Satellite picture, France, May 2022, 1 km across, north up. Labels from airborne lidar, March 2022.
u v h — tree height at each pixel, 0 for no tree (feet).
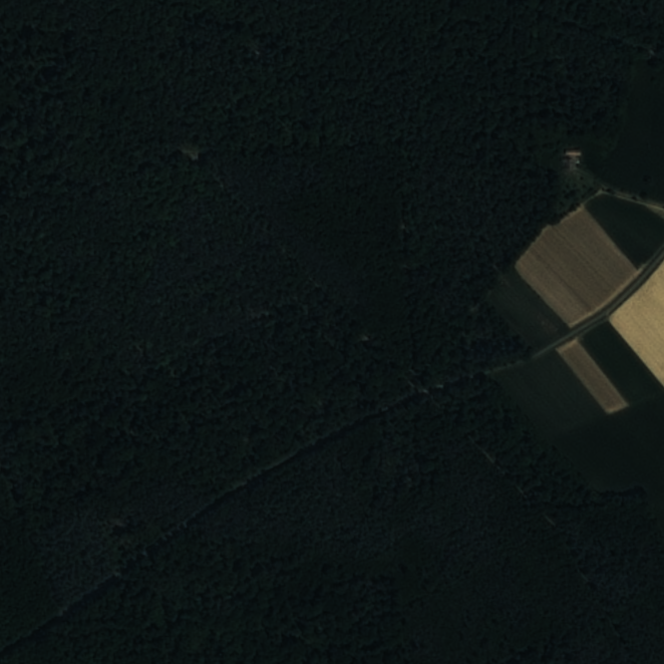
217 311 73
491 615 56
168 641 83
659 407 0
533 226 86
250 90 89
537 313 0
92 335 85
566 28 106
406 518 38
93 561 82
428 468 79
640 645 73
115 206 82
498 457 82
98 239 74
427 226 83
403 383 85
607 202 0
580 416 0
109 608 97
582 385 0
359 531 65
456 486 59
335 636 96
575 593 60
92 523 83
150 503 73
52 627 78
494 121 88
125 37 79
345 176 71
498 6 114
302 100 100
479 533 60
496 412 86
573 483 77
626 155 0
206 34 91
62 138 75
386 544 60
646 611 64
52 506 77
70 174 83
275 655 98
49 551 76
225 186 60
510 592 59
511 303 0
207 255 77
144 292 73
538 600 58
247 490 40
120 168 75
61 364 78
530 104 102
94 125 67
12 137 94
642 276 0
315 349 109
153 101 86
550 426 0
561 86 108
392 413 86
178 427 87
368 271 59
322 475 66
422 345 79
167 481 74
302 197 66
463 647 42
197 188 81
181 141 79
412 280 72
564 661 81
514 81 110
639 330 0
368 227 57
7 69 27
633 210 0
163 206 85
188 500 68
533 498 93
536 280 0
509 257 93
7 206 87
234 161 74
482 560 59
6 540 87
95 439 102
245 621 94
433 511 63
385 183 71
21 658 86
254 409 86
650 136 0
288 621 87
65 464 78
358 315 61
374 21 86
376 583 84
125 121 77
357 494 54
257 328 94
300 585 70
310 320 99
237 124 94
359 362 100
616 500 62
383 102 76
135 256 79
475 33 98
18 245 90
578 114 99
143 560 74
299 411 82
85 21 77
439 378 75
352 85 91
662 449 0
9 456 86
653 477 0
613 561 76
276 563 87
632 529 78
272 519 81
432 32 68
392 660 92
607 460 0
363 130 85
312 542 52
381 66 77
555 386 0
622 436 0
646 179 36
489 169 93
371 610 93
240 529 65
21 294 69
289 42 87
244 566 84
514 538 58
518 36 115
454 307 82
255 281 78
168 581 67
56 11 89
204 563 82
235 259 79
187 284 73
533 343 0
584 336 0
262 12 91
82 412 85
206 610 81
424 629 47
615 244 0
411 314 63
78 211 81
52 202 83
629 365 0
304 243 63
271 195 74
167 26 89
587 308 0
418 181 77
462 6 110
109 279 69
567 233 0
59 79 95
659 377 0
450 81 80
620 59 94
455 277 76
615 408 0
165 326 75
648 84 0
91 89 73
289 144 55
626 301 0
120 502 67
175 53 95
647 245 0
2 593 81
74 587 94
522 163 98
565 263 0
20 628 77
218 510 61
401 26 87
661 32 96
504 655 40
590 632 67
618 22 77
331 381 99
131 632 93
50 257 74
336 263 63
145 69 86
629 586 96
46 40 34
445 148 81
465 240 75
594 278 0
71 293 75
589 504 65
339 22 83
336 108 99
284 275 87
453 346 85
